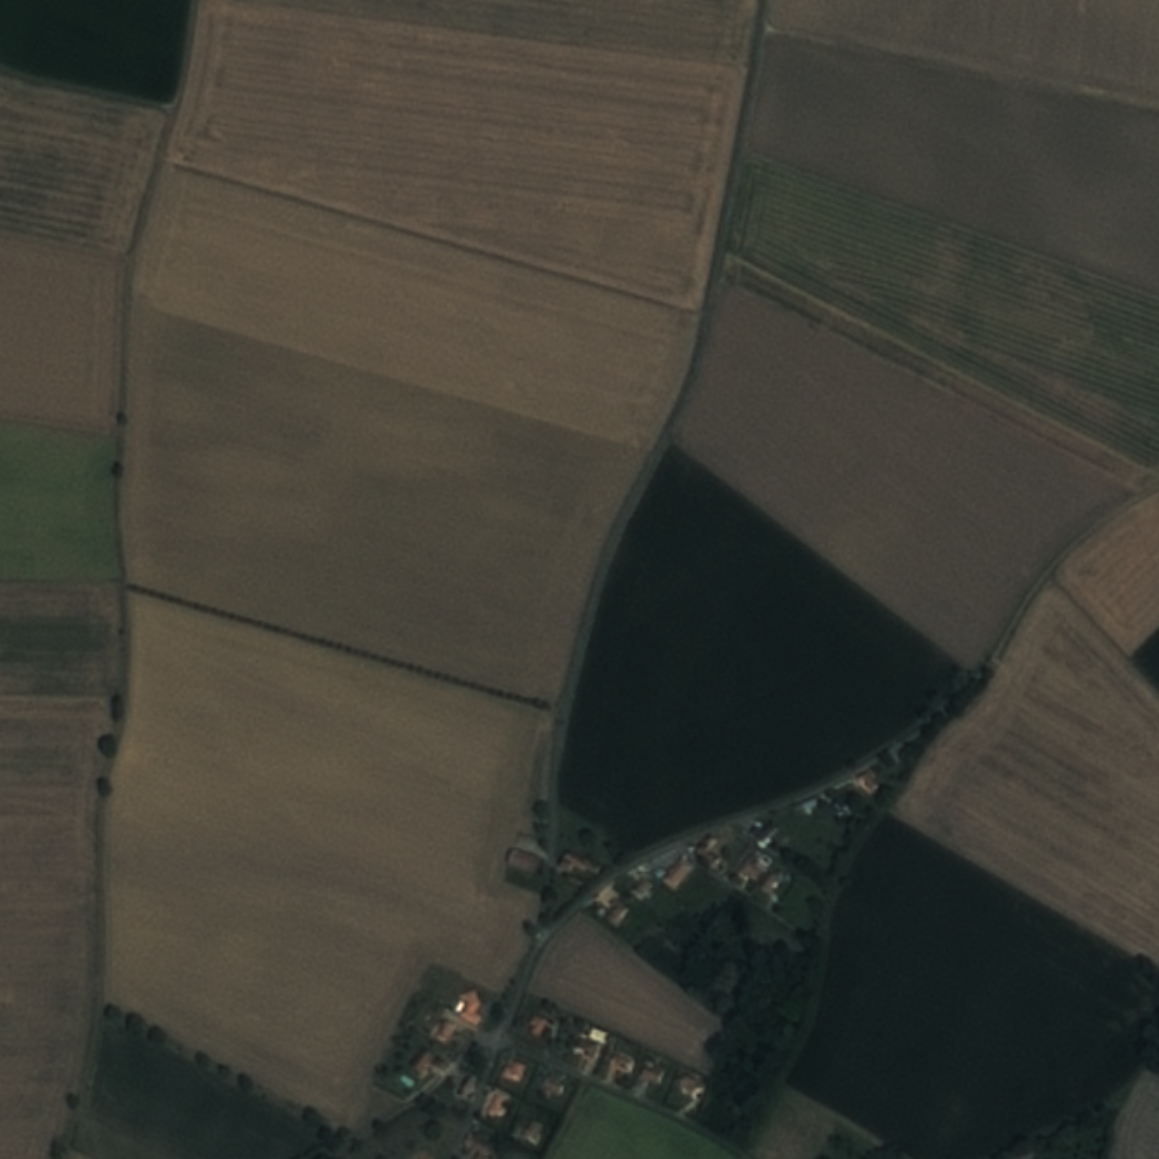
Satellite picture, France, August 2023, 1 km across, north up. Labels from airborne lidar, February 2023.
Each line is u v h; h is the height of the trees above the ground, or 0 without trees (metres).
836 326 0
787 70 0
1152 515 0
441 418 0
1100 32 0
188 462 0
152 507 0
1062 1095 0
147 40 0
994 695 0
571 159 0
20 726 0
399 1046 6
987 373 0
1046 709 0
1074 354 0
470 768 0
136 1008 0
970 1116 0
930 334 0
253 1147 0
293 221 0
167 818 0
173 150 0
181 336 0
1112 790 0
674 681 0
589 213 0
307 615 0
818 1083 0
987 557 0
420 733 0
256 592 0
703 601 0
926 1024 0
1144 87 0
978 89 0
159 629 0
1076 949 0
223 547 0
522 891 0
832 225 0
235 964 0
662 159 0
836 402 0
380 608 0
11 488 0
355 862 0
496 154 0
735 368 0
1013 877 0
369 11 0
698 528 0
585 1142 0
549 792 0
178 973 0
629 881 0
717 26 0
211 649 0
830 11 0
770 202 0
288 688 0
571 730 0
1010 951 0
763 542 0
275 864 0
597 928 0
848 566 0
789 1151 0
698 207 0
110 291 0
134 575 0
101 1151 0
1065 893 0
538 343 0
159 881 0
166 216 0
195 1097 0
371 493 0
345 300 0
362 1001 0
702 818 0
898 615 0
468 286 0
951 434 0
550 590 0
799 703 0
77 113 0
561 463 0
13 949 0
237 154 0
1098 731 0
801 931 0
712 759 0
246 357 0
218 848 0
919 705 0
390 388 0
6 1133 0
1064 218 0
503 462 0
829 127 0
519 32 0
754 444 0
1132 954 0
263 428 0
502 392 0
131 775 0
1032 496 0
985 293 0
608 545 0
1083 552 0
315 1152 8
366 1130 0
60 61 0
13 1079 0
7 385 0
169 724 0
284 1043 0
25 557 0
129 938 0
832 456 0
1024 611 0
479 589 0
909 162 0
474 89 0
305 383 0
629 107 0
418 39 0
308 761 0
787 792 0
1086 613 0
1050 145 0
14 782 0
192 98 0
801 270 0
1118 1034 0
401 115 0
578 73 0
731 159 0
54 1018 0
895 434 0
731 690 0
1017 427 0
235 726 0
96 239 0
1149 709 0
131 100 0
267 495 0
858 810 17
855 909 0
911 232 0
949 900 0
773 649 0
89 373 0
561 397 0
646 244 0
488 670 0
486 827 0
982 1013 0
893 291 0
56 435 0
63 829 0
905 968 0
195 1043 0
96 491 0
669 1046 0
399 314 0
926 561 0
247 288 0
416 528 0
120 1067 0
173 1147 0
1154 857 0
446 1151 0
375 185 0
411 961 0
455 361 0
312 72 0
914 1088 0
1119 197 0
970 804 0
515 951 0
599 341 0
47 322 0
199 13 0
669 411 0
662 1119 0
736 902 6
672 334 0
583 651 0
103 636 0
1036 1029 0
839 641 0
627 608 0
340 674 0
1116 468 0
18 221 0
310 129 0
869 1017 0
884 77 0
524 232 0
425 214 0
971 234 0
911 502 0
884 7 0
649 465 0
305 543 0
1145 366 0
